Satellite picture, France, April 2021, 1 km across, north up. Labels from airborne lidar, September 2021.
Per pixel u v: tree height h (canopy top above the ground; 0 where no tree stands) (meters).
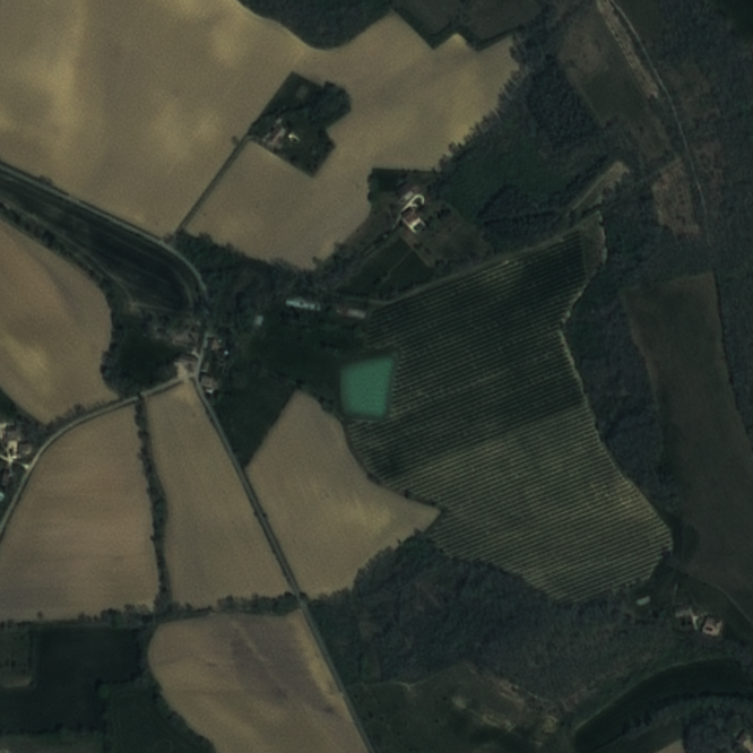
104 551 0
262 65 0
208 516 0
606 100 0
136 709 0
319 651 0
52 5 0
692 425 0
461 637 12
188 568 0
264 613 18
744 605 0
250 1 11
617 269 15
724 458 0
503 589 15
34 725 0
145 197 0
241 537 0
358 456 0
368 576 14
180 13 0
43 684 0
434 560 14
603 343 7
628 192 20
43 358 0
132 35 0
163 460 0
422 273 0
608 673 11
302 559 0
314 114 10
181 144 0
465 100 0
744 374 16
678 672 0
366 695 7
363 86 0
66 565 0
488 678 0
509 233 15
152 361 0
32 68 0
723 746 20
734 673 0
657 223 7
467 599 11
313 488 0
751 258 19
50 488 0
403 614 18
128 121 0
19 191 0
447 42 0
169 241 14
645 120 0
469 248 0
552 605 18
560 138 8
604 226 8
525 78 16
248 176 0
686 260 18
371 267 0
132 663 0
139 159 0
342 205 0
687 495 0
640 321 0
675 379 0
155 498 18
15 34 0
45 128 0
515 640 15
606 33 0
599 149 16
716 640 10
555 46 14
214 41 0
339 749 0
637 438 24
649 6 0
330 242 0
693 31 19
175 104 0
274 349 0
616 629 15
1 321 0
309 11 13
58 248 26
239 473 0
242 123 0
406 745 0
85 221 0
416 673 15
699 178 11
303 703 0
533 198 8
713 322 0
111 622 20
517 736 0
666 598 0
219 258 14
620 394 9
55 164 0
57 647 0
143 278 0
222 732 0
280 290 17
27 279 0
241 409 0
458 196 7
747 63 21
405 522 0
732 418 0
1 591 0
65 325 0
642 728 21
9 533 0
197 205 0
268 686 0
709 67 15
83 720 0
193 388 0
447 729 0
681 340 0
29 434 14
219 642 0
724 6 0
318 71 0
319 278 16
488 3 0
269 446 0
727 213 14
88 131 0
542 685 14
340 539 0
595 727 0
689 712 14
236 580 0
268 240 0
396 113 0
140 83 0
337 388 0
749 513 0
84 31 0
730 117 9
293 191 0
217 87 0
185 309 0
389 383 0
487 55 0
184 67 0
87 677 0
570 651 13
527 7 0
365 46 0
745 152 16
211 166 0
